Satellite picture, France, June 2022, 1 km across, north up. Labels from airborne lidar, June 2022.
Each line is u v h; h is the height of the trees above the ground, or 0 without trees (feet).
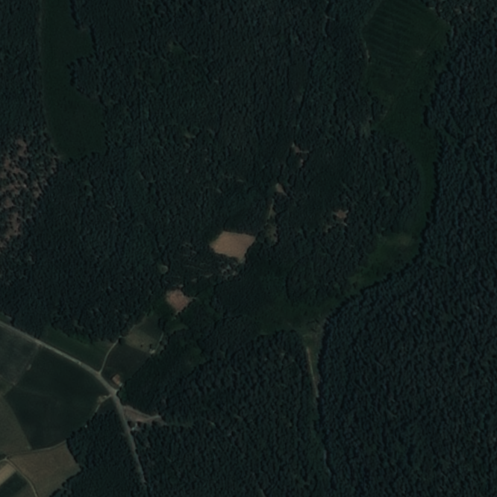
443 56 85
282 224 73
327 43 94
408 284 112
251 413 94
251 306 73
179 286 37
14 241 35
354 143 55
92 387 0
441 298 93
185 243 56
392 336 76
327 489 85
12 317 79
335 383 105
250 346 96
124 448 68
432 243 105
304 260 66
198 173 60
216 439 91
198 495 77
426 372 94
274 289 54
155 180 32
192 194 74
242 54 87
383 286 104
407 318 25
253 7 78
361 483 41
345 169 59
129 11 94
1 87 51
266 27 85
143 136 73
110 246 80
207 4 88
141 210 105
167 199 80
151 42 77
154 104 52
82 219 55
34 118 70
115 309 71
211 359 26
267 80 92
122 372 0
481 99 110
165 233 72
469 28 52
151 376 49
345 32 76
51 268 73
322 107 91
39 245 73
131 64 70
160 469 55
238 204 103
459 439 63
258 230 52
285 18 73
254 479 105
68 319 76
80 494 70
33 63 58
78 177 37
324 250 75
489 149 115
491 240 81
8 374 0
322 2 71
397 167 98
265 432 91
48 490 0
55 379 0
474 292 62
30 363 0
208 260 47
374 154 60
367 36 0
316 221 57
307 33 101
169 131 62
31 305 63
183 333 54
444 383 83
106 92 21
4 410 0
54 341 0
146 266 94
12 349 0
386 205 92
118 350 0
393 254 0
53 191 77
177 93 62
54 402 0
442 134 65
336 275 66
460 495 44
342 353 111
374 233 87
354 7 117
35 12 84
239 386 85
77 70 86
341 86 84
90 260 89
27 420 0
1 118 82
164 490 71
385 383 100
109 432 67
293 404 91
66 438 0
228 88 81
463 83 71
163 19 52
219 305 63
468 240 33
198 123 61
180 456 82
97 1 82
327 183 60
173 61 42
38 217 74
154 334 0
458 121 91
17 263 62
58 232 70
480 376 92
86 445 91
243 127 78
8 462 0
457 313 94
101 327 72
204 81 31
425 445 106
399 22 0
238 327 84
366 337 49
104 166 78
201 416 81
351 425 110
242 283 65
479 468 19
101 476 69
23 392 0
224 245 0
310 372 103
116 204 85
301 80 81
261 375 110
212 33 80
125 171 71
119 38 67
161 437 79
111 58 43
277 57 62
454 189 108
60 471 0
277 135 57
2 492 0
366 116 71
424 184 103
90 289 83
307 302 40
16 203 69
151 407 67
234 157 72
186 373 61
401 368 93
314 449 102
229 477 89
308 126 65
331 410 83
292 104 74
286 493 102
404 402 83
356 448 113
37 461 0
